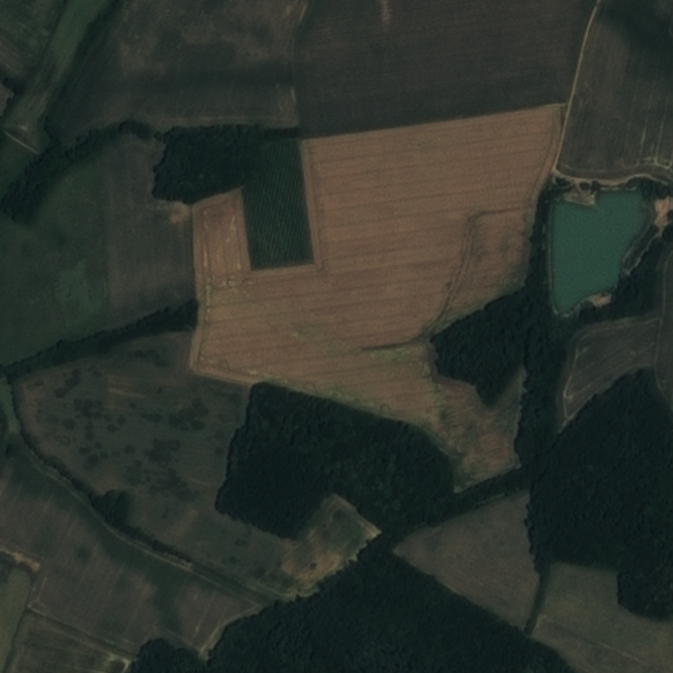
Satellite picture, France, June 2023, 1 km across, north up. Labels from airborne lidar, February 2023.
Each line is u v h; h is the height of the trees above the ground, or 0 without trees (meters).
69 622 0
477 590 0
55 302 0
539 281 12
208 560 0
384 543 16
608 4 0
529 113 0
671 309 0
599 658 0
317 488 26
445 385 0
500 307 20
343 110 0
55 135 13
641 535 20
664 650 0
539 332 20
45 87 0
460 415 0
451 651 19
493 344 17
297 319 0
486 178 0
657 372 0
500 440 0
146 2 0
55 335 0
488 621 17
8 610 0
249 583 0
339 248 0
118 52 0
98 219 0
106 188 0
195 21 0
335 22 0
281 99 0
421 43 0
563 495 23
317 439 26
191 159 26
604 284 0
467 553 0
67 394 0
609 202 0
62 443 0
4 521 0
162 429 0
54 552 0
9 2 0
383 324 0
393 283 0
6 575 0
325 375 0
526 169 0
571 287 0
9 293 0
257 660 23
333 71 0
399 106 0
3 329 0
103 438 0
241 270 0
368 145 0
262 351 0
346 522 0
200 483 0
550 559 18
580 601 0
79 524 0
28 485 0
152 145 0
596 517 21
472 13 0
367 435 22
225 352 0
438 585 10
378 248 0
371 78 0
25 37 0
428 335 0
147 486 0
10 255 0
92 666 0
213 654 15
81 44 0
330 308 0
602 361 0
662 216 0
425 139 0
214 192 20
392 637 19
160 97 0
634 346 0
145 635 0
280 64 0
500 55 0
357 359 0
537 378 21
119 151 0
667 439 23
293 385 0
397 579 19
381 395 0
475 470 0
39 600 0
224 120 0
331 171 0
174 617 0
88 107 0
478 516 0
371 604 24
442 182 0
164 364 0
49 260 0
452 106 0
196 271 0
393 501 24
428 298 0
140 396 0
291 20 0
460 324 16
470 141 0
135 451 0
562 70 0
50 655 0
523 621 0
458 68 0
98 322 0
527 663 22
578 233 0
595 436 23
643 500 25
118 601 0
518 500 0
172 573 0
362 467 22
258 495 24
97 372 0
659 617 19
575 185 0
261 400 18
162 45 0
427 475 27
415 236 0
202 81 0
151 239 0
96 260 0
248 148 23
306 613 29
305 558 0
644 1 0
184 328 11
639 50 0
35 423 0
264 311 0
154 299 0
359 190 0
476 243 0
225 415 0
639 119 0
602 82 0
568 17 0
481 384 9
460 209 0
